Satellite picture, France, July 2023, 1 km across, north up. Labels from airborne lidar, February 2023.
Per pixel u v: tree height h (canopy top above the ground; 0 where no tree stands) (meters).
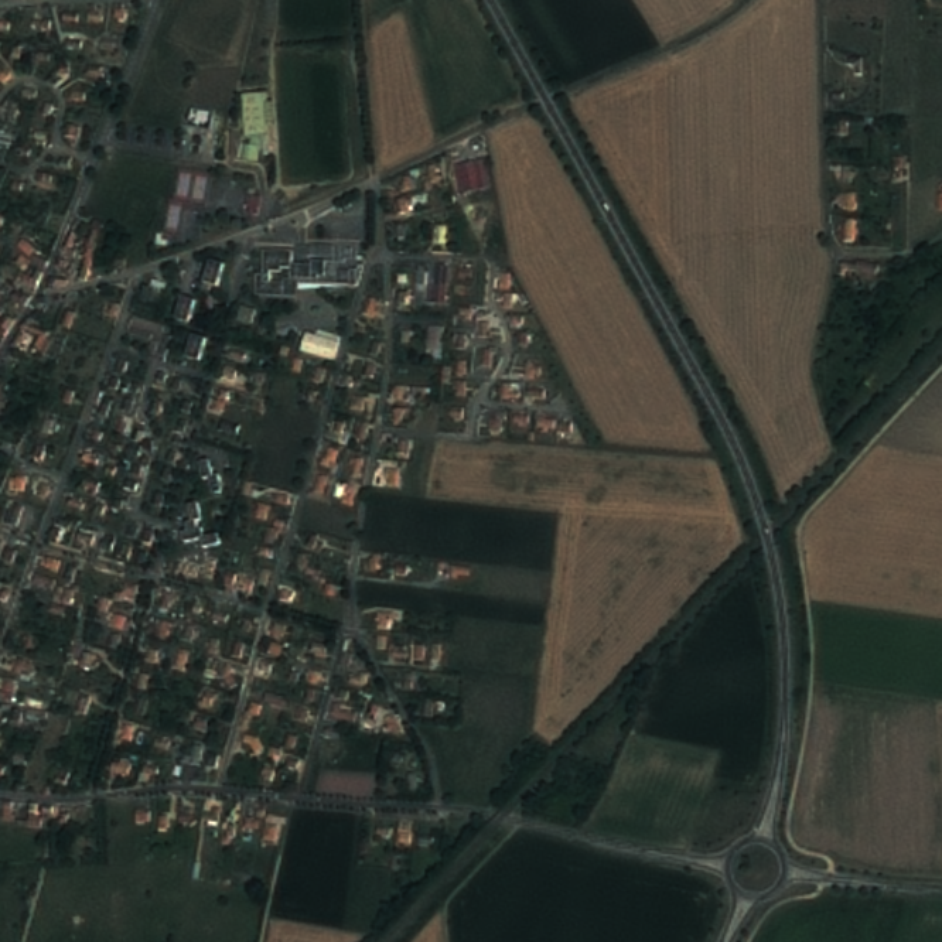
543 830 0
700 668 0
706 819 0
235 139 0
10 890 0
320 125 0
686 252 0
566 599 0
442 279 0
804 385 0
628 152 0
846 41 0
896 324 6
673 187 0
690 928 0
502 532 0
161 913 0
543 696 0
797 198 0
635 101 0
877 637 0
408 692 5
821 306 0
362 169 0
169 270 18
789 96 0
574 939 0
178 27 0
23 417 12
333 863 0
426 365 14
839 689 0
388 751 14
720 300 0
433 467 0
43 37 7
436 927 0
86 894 0
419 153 0
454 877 0
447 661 0
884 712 0
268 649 8
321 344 0
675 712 0
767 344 0
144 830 0
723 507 0
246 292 10
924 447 0
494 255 0
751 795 0
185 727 8
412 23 0
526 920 0
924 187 0
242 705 0
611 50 0
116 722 10
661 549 0
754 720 0
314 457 0
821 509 0
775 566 0
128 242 14
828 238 13
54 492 0
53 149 0
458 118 0
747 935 7
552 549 0
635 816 0
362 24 10
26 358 6
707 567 0
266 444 0
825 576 0
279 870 0
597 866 0
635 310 0
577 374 0
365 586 0
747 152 0
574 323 0
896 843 0
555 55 0
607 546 0
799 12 0
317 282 0
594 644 0
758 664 0
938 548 0
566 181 0
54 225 0
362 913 0
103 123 0
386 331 0
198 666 7
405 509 0
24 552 0
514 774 6
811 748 0
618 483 0
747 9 0
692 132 0
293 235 0
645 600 0
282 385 0
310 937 0
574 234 0
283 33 0
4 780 11
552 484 0
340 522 0
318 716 0
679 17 0
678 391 0
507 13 0
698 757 0
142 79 0
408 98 0
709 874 0
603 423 0
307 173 0
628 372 0
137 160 0
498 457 0
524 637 0
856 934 0
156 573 0
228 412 0
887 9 0
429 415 0
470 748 0
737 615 0
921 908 0
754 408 0
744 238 0
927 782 0
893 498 0
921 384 0
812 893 0
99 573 0
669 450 0
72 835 12
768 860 0
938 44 0
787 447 0
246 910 0
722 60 0
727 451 0
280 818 0
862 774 0
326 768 0
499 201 0
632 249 0
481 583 0
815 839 0
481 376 0
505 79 0
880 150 0
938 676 0
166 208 0
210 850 0
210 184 0
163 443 0
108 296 10
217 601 0
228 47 0
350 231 0
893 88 0
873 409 10
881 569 0
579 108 0
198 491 8
